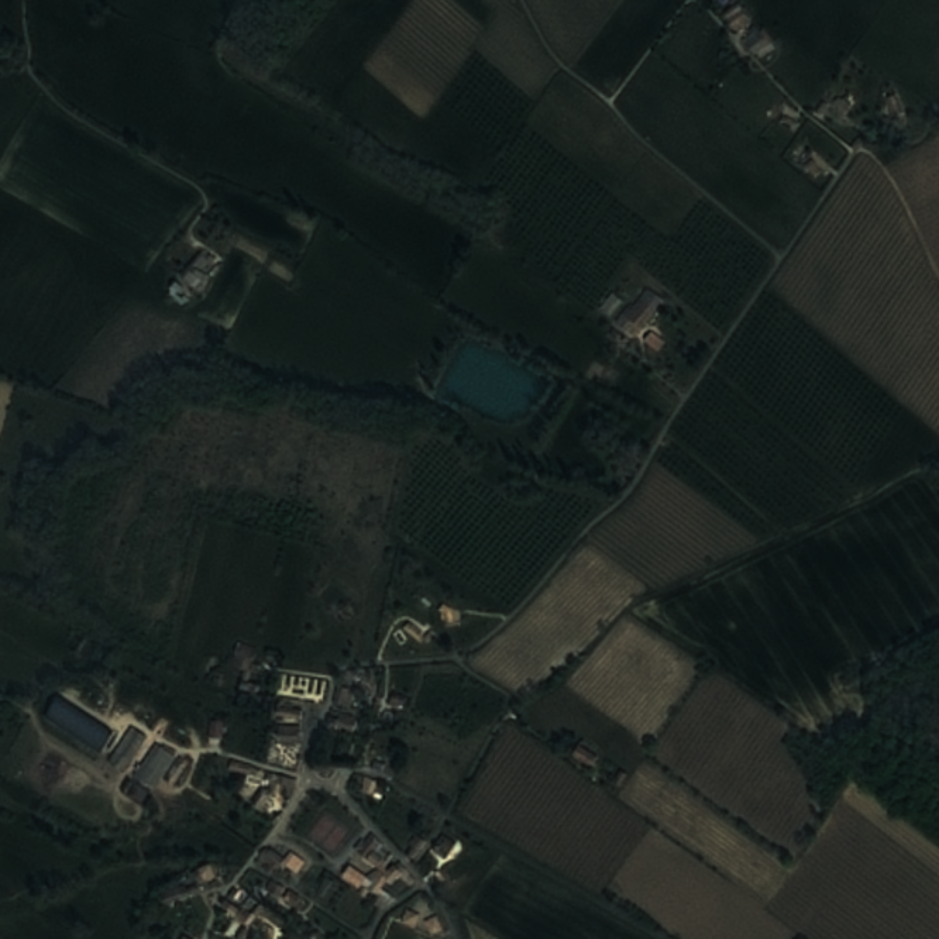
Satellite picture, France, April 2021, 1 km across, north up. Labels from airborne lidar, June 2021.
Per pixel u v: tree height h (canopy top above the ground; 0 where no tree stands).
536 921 0
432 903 8
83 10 0
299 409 11
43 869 0
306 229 0
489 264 0
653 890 0
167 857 18
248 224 0
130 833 14
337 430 17
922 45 0
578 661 9
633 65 0
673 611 0
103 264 0
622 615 0
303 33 16
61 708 0
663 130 0
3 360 0
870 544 0
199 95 0
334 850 0
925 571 0
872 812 0
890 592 0
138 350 0
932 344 0
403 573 8
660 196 0
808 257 0
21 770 0
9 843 0
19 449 0
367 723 14
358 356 0
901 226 0
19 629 0
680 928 0
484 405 0
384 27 0
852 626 0
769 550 0
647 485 0
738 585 0
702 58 0
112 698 0
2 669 0
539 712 0
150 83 0
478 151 0
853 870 0
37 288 0
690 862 0
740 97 0
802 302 0
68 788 0
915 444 0
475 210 22
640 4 0
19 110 0
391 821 0
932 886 0
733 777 0
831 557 0
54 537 23
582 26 0
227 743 8
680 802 0
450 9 0
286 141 0
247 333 0
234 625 0
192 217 0
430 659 0
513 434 0
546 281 0
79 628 10
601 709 0
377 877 0
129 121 0
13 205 0
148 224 0
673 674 0
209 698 0
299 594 0
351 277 0
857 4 0
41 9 0
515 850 0
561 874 0
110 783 0
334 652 0
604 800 0
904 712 17
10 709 8
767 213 0
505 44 0
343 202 0
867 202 0
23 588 17
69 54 0
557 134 0
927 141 0
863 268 0
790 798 0
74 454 16
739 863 0
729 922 0
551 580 0
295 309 0
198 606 0
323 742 17
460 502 6
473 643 0
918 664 21
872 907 0
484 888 0
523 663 0
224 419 7
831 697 0
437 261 0
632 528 0
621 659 0
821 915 0
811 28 0
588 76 0
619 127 0
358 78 0
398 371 0
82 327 0
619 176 0
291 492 6
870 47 0
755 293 0
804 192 0
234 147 0
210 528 0
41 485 16
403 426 20
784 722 13
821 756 11
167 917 0
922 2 0
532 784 0
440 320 0
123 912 0
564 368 18
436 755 0
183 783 0
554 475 11
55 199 0
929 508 0
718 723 0
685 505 0
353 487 0
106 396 0
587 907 0
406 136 0
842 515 0
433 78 0
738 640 0
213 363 20
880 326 0
